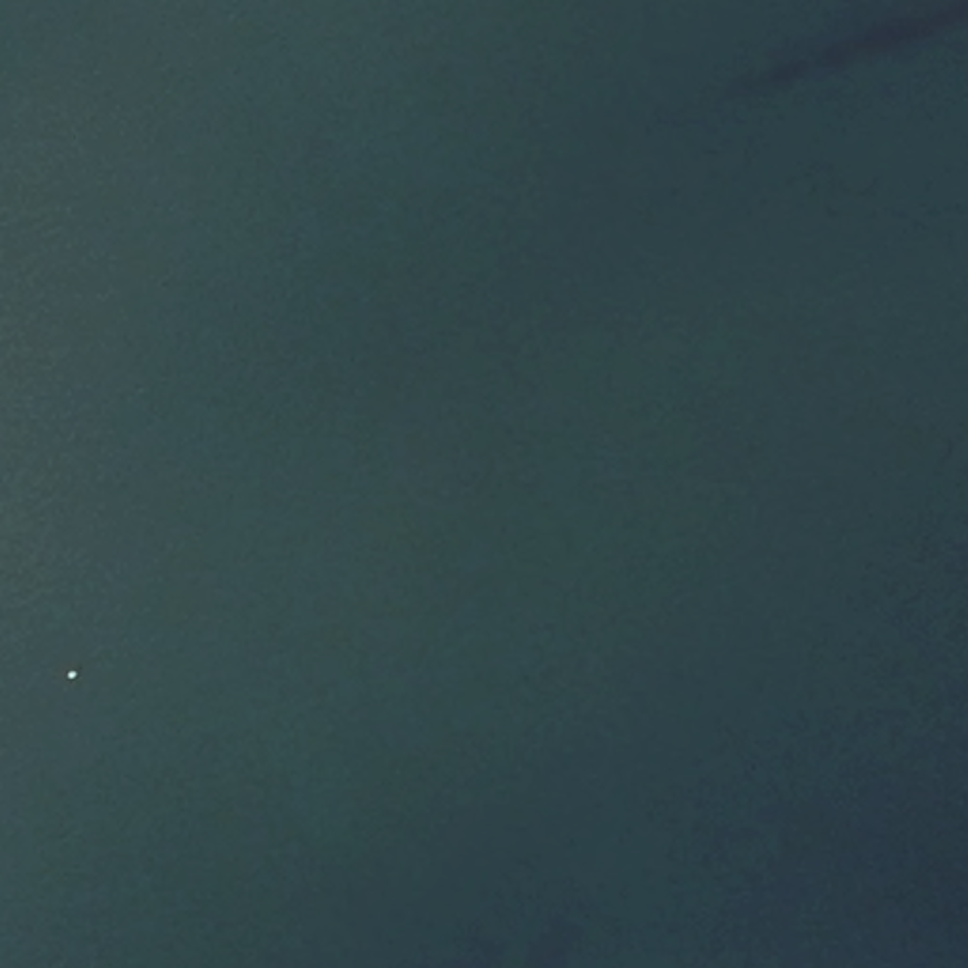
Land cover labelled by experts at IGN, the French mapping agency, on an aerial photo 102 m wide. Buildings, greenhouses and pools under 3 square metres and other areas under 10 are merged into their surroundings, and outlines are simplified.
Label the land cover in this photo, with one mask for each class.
<instances>
[{"label":"water","instance_id":"1","mask_svg":"<svg viewBox=\"0 0 968 968\"><path fill-rule=\"evenodd\" d=\"M0 968H968V0H0Z\"/></svg>","mask_w":968,"mask_h":968}]
</instances>
